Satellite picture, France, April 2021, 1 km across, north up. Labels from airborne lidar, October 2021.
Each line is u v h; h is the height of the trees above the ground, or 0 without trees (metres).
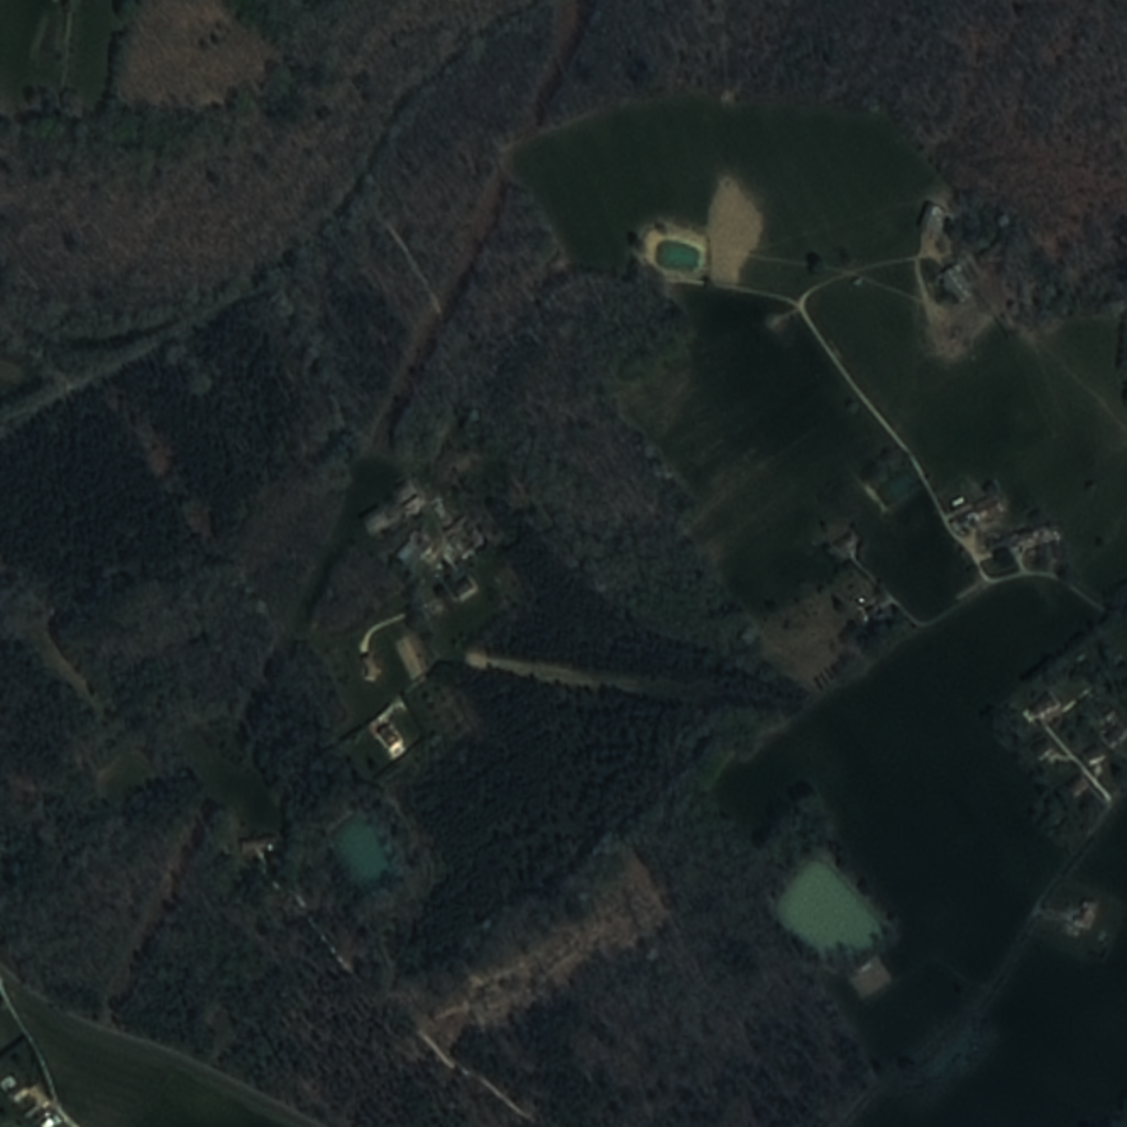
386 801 17
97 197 19
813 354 0
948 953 0
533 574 15
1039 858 0
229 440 12
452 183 13
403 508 11
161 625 24
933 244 0
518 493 8
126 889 18
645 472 19
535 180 0
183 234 13
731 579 0
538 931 22
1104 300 13
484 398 24
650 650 13
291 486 10
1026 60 12
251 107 23
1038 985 0
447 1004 25
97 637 26
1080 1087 0
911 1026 0
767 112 0
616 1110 14
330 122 17
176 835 19
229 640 20
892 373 0
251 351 10
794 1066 19
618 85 18
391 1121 24
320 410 13
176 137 21
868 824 0
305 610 0
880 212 0
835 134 0
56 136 22
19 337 24
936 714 0
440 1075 22
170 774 19
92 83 0
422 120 18
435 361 21
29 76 0
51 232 11
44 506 13
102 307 23
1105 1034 0
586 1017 16
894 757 0
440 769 14
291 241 16
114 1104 0
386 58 15
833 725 0
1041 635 0
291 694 24
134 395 13
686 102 0
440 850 13
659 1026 19
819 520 0
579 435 14
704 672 13
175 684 19
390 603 9
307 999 23
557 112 18
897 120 13
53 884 15
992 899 0
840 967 16
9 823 21
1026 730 7
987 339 0
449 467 12
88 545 12
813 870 0
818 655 0
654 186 0
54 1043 0
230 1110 0
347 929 14
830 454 0
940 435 0
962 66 11
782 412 0
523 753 13
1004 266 10
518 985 0
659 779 11
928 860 0
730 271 0
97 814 17
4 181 16
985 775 0
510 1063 16
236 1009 22
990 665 0
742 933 20
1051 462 0
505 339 15
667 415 0
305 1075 24
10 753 13
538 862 14
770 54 8
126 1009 19
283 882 23
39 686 26
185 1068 0
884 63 14
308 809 23
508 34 21
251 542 12
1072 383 0
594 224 0
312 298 21
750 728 22
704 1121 17
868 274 0
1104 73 8
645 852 21
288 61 13
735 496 0
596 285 19
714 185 0
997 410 0
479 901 15
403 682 0
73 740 25
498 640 12
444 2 14
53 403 18
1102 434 0
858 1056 21
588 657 14
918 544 0
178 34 20
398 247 20
